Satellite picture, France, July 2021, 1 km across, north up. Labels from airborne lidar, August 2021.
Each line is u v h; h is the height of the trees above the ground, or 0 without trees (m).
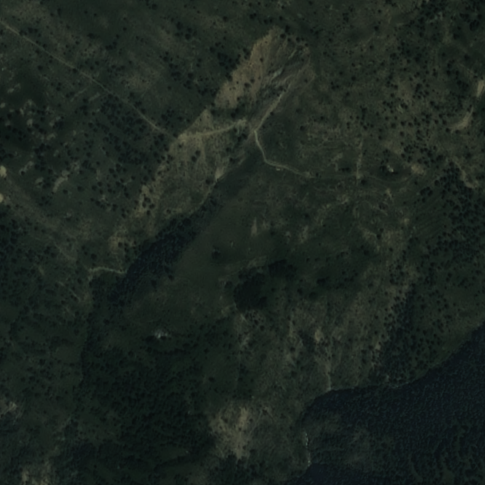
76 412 13
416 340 14
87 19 0
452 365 10
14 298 11
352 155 0
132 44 0
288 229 0
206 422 9
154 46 0
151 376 13
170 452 0
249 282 25
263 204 0
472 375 15
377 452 10
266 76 0
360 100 0
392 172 10
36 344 11
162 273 8
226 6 0
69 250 0
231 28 0
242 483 12
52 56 6
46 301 9
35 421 0
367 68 0
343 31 0
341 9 0
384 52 0
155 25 0
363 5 0
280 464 8
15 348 0
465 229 16
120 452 10
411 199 0
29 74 0
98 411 9
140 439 9
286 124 0
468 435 15
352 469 12
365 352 9
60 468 13
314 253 0
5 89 0
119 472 10
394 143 0
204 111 0
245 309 12
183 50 0
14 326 12
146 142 0
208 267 0
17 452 12
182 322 0
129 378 11
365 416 16
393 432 15
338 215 0
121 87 0
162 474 12
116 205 12
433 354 13
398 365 17
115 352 8
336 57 0
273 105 0
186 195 0
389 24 0
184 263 0
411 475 21
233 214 0
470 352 14
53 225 0
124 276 6
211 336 16
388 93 0
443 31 0
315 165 0
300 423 10
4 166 0
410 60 13
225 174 0
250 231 0
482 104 0
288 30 10
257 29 0
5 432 7
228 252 0
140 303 0
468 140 0
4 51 0
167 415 17
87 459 16
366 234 0
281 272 20
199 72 0
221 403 0
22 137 11
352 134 0
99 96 0
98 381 9
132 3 0
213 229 0
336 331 0
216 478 9
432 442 24
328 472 10
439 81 0
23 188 0
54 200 0
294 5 0
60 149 0
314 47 0
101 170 0
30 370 12
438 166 9
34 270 16
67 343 9
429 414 10
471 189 18
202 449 24
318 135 0
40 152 10
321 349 7
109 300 5
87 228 0
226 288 8
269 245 0
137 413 15
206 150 0
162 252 21
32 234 0
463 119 0
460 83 16
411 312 17
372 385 6
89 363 15
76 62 0
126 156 16
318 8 0
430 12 15
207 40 0
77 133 0
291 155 0
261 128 0
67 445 9
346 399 9
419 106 0
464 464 24
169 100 0
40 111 14
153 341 20
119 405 10
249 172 0
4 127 0
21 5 0
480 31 0
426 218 0
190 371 10
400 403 8
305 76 0
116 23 0
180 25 19
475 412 20
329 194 0
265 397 0
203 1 0
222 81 0
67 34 0
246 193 0
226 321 14
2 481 7
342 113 0
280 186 0
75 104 0
